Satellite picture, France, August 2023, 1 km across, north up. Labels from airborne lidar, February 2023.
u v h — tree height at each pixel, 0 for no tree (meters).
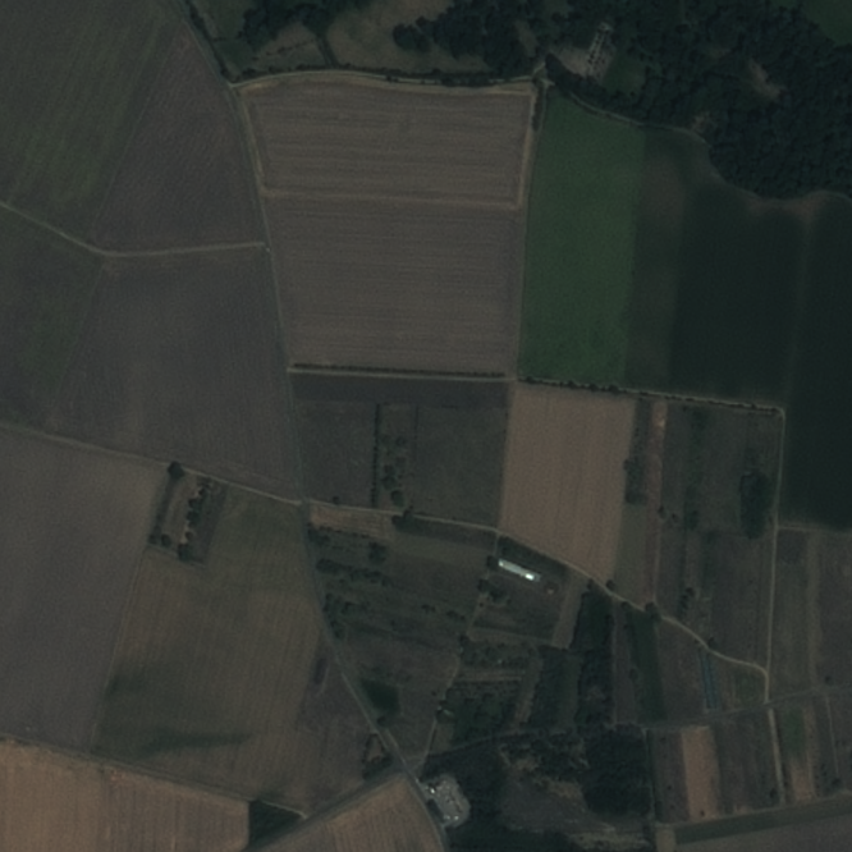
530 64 12
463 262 0
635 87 0
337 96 0
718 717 0
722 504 0
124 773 0
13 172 0
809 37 20
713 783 0
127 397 0
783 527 0
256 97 0
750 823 0
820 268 0
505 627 0
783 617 0
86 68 0
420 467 0
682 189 0
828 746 0
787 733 0
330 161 0
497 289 0
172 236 0
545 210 0
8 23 0
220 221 0
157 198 0
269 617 0
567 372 0
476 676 0
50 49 0
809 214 0
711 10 22
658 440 0
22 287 0
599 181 0
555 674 7
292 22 9
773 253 0
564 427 0
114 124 0
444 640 0
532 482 0
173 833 0
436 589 0
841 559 0
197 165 0
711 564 0
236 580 0
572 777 9
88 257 0
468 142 0
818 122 32
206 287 0
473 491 0
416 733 0
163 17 0
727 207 0
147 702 0
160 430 0
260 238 0
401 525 12
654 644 0
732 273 0
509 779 0
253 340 0
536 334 0
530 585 0
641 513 0
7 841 0
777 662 0
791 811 0
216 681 0
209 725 0
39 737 0
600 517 0
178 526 0
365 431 0
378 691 0
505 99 0
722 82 22
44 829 0
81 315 0
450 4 0
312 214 0
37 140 0
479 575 0
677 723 0
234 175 0
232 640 0
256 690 0
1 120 0
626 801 9
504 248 0
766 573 0
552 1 0
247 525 0
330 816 0
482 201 0
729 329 0
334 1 19
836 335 0
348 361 0
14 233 0
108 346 0
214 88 0
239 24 0
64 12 0
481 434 0
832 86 29
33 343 0
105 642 0
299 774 0
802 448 0
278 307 0
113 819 0
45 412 0
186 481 0
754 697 0
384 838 0
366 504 0
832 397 0
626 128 0
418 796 0
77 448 0
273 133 0
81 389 0
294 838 0
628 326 0
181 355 0
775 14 14
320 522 0
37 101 0
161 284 0
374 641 0
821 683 0
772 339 0
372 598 0
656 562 0
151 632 0
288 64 0
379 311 0
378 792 0
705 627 0
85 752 0
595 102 17
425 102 0
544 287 0
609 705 12
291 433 0
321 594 0
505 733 14
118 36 0
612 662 13
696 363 0
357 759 0
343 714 0
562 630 0
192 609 0
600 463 0
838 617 0
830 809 0
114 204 0
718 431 0
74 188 0
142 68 0
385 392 0
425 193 0
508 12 24
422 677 0
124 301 0
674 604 0
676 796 0
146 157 0
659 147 0
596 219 0
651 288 0
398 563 0
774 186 25
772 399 0
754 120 16
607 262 0
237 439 0
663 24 16
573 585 0
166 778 0
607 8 7
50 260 0
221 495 0
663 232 0
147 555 0
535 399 0
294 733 0
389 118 0
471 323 0
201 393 0
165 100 0
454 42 25
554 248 0
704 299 0
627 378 0
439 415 0
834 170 25
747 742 0
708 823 0
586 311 0
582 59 0
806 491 0
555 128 0
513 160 0
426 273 0
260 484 0
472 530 0
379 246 0
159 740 0
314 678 0
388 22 0
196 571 0
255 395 0
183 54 0
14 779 0
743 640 0
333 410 0
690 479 0
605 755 12
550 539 0
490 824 11
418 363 0
